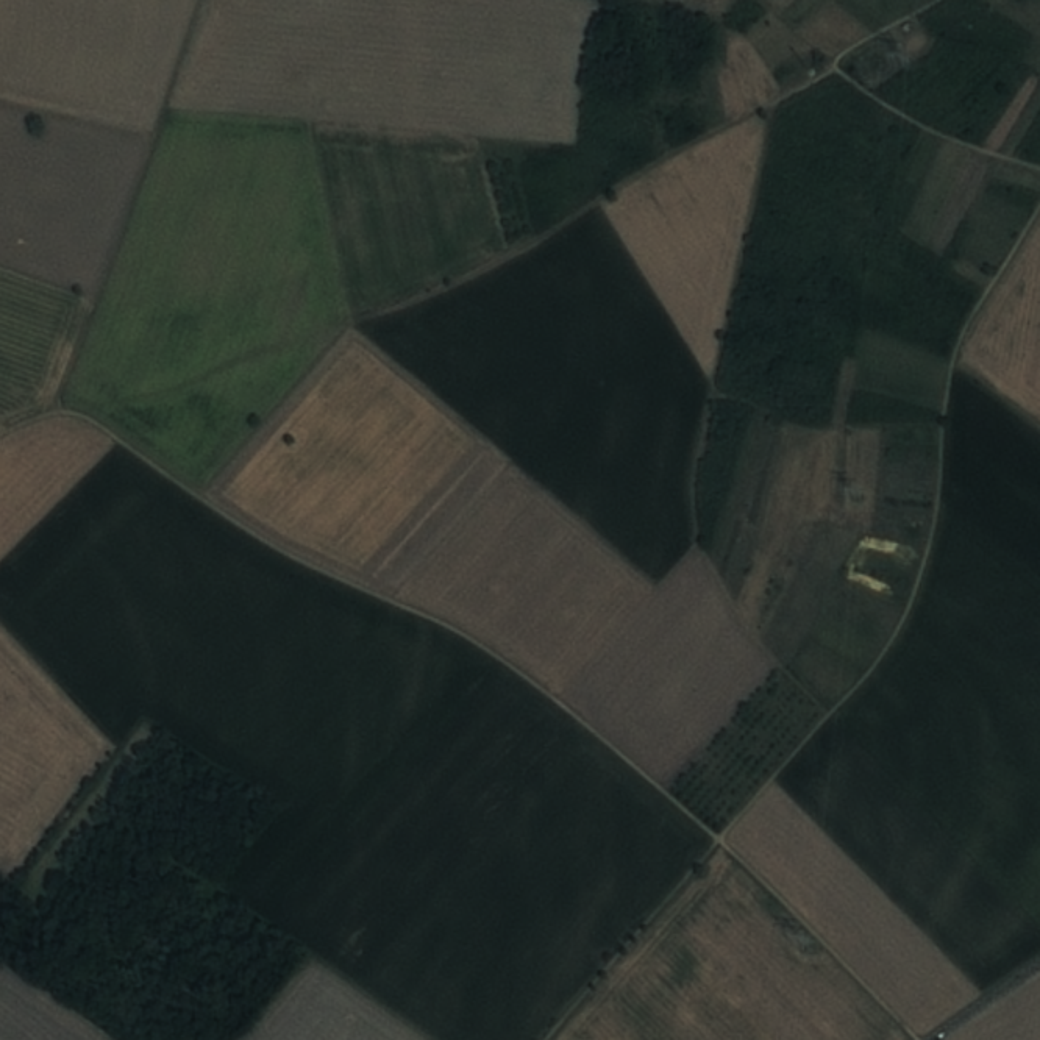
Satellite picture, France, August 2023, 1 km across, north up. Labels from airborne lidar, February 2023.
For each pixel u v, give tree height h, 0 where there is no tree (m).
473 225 0
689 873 0
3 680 0
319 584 0
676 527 0
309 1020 0
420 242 0
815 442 0
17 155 0
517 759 0
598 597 0
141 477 0
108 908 23
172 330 0
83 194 0
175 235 0
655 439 0
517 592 0
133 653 0
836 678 0
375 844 0
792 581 0
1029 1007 0
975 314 0
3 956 26
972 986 0
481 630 0
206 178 0
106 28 0
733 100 0
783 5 0
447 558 0
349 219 0
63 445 0
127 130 0
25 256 0
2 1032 0
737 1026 0
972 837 0
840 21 0
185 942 13
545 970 0
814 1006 0
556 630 0
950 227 0
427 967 0
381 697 0
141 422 0
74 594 0
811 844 0
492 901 0
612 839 0
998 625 0
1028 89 0
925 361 0
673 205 0
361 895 0
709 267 0
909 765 0
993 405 0
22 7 0
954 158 0
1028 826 0
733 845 0
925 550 0
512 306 0
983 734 0
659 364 0
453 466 0
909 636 0
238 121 0
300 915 0
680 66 8
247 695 0
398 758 0
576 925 0
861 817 0
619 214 0
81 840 17
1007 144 0
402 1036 0
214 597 0
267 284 0
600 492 0
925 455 0
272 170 0
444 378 0
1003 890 0
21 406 0
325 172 0
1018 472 0
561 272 0
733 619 0
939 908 0
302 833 0
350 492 0
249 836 25
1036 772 0
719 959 0
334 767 0
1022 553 0
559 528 0
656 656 0
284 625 0
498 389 0
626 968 0
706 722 0
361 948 0
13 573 0
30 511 0
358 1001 0
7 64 0
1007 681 0
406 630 0
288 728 0
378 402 0
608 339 0
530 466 0
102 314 0
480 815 0
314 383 0
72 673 0
